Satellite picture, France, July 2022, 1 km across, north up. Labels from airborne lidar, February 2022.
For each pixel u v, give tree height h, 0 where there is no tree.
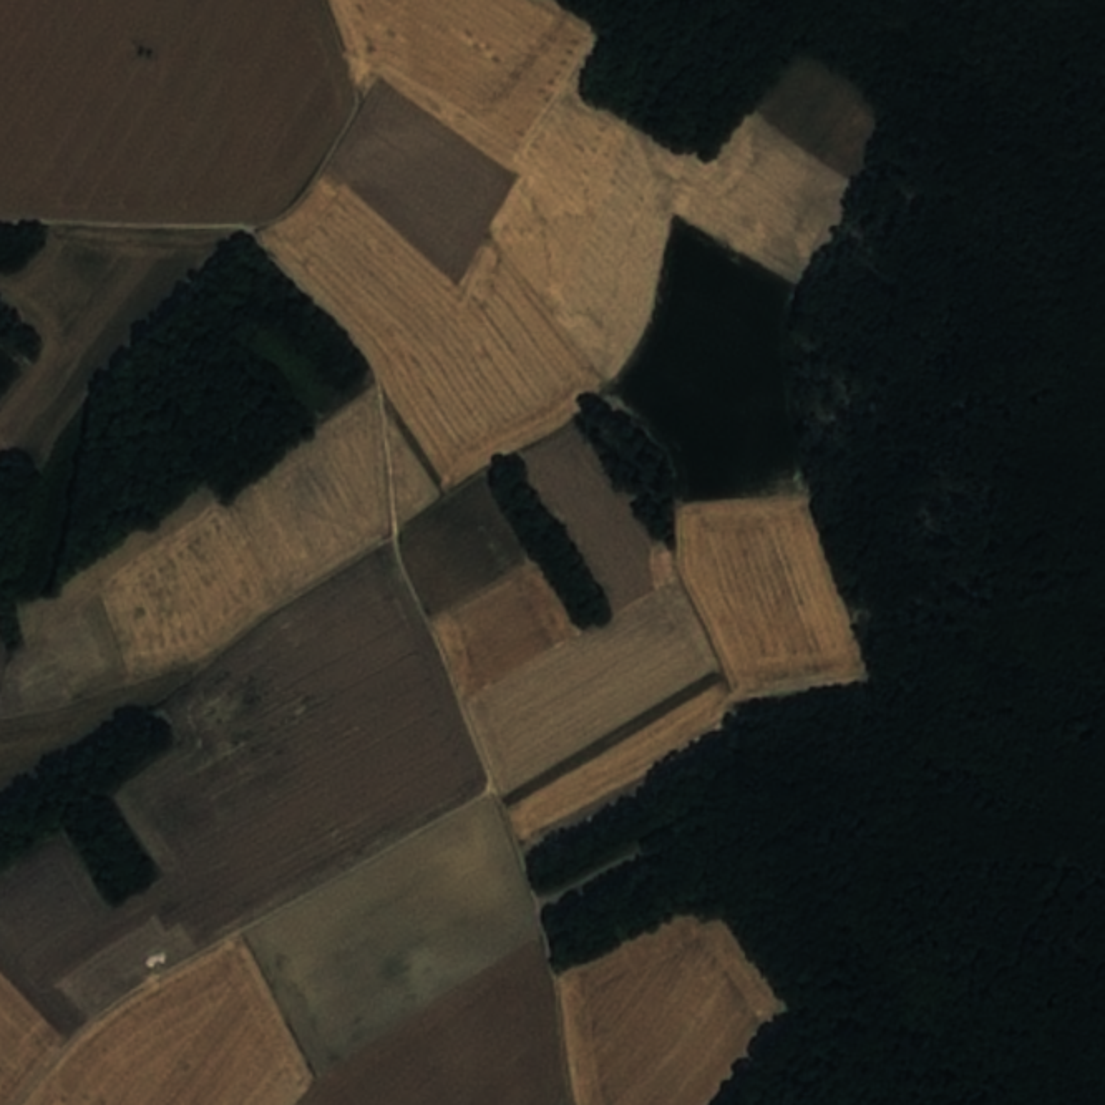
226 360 19
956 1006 19
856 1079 27
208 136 0
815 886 23
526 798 0
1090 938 19
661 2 18
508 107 0
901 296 22
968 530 23
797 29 20
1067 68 23
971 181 18
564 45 0
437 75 0
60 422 0
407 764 0
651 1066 0
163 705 0
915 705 24
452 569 0
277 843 0
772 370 0
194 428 23
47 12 0
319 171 0
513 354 0
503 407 0
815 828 26
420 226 0
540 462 0
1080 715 26
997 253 22
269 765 0
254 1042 0
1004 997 20
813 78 0
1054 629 19
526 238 0
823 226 0
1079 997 21
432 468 0
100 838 21
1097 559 19
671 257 0
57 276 0
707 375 0
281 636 0
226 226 0
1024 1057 19
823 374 18
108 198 0
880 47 19
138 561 0
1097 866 18
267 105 0
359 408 0
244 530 0
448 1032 0
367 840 0
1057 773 21
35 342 14
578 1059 0
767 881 24
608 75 16
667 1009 0
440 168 0
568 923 20
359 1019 0
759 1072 24
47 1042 0
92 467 22
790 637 0
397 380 0
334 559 0
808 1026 21
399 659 0
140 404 15
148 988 0
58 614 0
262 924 0
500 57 0
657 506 20
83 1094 0
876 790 17
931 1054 19
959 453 24
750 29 21
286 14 0
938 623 24
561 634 0
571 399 0
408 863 0
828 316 20
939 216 22
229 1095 0
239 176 0
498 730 0
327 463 0
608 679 0
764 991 0
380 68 0
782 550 0
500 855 0
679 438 0
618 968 0
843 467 27
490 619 0
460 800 0
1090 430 19
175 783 0
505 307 0
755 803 26
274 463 14
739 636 0
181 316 18
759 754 26
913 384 19
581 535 0
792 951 25
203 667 0
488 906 0
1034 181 21
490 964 0
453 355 0
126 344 0
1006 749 23
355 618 0
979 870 19
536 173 0
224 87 0
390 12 0
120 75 0
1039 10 20
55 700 0
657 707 0
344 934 0
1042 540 25
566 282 0
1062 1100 17
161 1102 0
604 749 0
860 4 19
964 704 20
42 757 0
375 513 0
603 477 0
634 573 0
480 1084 0
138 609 0
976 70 15
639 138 0
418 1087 0
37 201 0
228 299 11
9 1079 0
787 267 0
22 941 0
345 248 0
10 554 20
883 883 18
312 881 0
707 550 0
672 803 24
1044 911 15
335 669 0
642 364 0
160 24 0
